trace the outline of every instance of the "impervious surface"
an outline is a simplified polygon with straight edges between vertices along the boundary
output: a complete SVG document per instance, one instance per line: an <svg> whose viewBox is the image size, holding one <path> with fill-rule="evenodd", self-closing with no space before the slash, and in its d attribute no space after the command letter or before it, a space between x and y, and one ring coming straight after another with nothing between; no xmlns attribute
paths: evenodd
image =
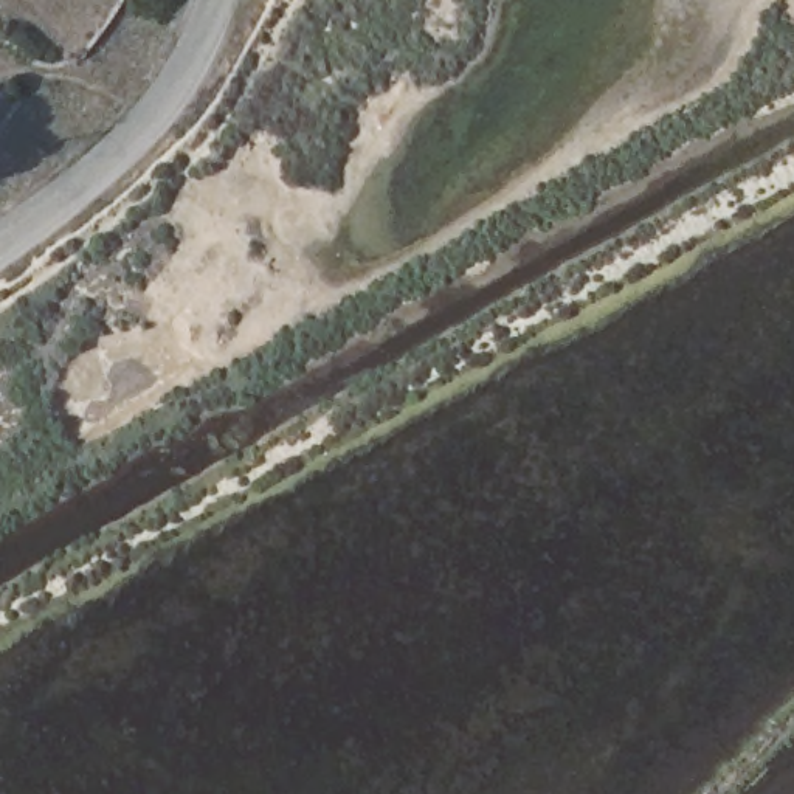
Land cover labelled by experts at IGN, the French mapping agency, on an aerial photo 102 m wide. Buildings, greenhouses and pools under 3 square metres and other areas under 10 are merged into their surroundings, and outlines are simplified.
<svg viewBox="0 0 794 794"><path fill-rule="evenodd" d="M130 112L130 118L121 127L115 127L115 133L109 133L102 143L96 143L90 155L84 155L84 161L74 164L65 177L43 186L28 202L3 202L0 208L0 279L9 264L16 264L28 248L34 248L40 239L47 239L53 230L65 223L127 171L164 130L171 130L171 124L195 99L195 93L208 84L211 65L233 22L230 0L186 0L174 19L180 25L177 50L164 62L161 78L146 90L140 105Z"/></svg>

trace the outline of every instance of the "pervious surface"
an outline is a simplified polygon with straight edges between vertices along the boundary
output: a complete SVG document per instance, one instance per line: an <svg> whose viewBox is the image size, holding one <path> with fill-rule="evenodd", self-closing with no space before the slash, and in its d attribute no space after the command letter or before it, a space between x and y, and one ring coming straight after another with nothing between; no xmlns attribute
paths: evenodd
<svg viewBox="0 0 794 794"><path fill-rule="evenodd" d="M627 270L639 264L658 261L670 245L707 233L716 220L735 214L729 208L729 192L720 192L701 214L685 214L682 220L676 220L673 230L633 248L627 257L614 257L605 267L592 267L580 292L561 295L564 304L586 301L608 279L620 279Z"/></svg>
<svg viewBox="0 0 794 794"><path fill-rule="evenodd" d="M270 43L264 43L257 53L257 68L270 71L276 65L285 47L285 34L301 12L298 0L288 0L285 16L273 28Z"/></svg>
<svg viewBox="0 0 794 794"><path fill-rule="evenodd" d="M775 164L769 177L751 177L741 183L747 205L769 199L772 192L794 183L794 155Z"/></svg>
<svg viewBox="0 0 794 794"><path fill-rule="evenodd" d="M217 490L195 502L183 515L192 521L230 493L254 490L257 478L273 471L279 462L323 444L332 434L332 428L332 425L329 419L316 419L304 440L273 447L261 465L239 478L220 481Z"/></svg>
<svg viewBox="0 0 794 794"><path fill-rule="evenodd" d="M34 599L47 599L50 592L62 596L62 577L53 577L47 586L16 596L16 608L25 608Z"/></svg>
<svg viewBox="0 0 794 794"><path fill-rule="evenodd" d="M549 319L549 310L543 307L518 319L499 316L499 326L506 326L512 335L521 335L524 329Z"/></svg>
<svg viewBox="0 0 794 794"><path fill-rule="evenodd" d="M444 40L459 37L453 0L437 0L428 9L425 31Z"/></svg>
<svg viewBox="0 0 794 794"><path fill-rule="evenodd" d="M785 115L794 121L794 93L785 93L775 102L760 105L757 112L772 121Z"/></svg>
<svg viewBox="0 0 794 794"><path fill-rule="evenodd" d="M468 233L478 220L487 220L521 199L537 195L540 183L568 174L586 155L611 152L630 133L679 109L692 109L701 96L729 84L757 40L763 16L760 0L658 0L651 43L642 53L642 59L623 71L623 78L580 118L574 133L552 155L527 167L493 199L465 211L459 220L437 230L425 242L397 251L394 261L375 264L360 279L332 285L323 279L316 264L304 257L304 248L319 239L329 242L338 233L341 214L363 189L372 167L381 158L388 158L394 146L403 140L409 121L431 99L462 87L471 78L471 71L490 56L499 28L496 0L490 0L481 50L471 56L471 62L465 62L465 71L431 87L416 87L409 74L397 74L391 81L391 90L366 99L366 105L360 109L360 133L350 146L350 158L344 167L344 186L338 192L285 183L273 133L257 133L248 146L242 146L233 155L226 171L205 180L192 177L192 167L214 155L214 143L220 136L211 127L211 118L233 84L223 81L223 87L214 93L214 99L205 105L199 121L183 136L174 136L171 130L164 130L127 171L133 177L109 208L93 214L81 230L68 230L65 223L53 230L47 239L40 239L34 248L28 248L16 264L9 264L0 279L0 316L50 279L56 279L62 270L74 267L78 257L90 251L93 236L112 233L118 223L127 220L130 208L143 208L158 199L155 171L161 164L174 161L177 155L189 155L183 171L186 183L171 208L174 226L180 233L180 248L164 264L164 270L146 285L149 316L155 319L155 326L109 335L102 335L93 350L81 354L71 363L65 394L68 413L78 416L81 437L96 440L115 434L140 413L158 409L161 397L171 388L192 385L211 369L220 369L236 357L257 350L282 326L298 323L307 313L326 313L341 298L366 292L372 282L400 273L406 264L440 251L462 233Z"/></svg>

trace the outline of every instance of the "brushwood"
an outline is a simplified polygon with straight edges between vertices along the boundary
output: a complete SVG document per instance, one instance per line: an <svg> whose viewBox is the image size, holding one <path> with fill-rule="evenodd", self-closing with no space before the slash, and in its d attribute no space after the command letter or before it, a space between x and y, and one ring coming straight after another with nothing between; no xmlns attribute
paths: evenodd
<svg viewBox="0 0 794 794"><path fill-rule="evenodd" d="M716 775L704 782L698 794L738 794L738 785L754 788L766 775L766 763L772 760L772 754L791 744L794 738L794 695L760 723L757 735L751 735L732 760L720 763Z"/></svg>
<svg viewBox="0 0 794 794"><path fill-rule="evenodd" d="M0 19L0 34L19 43L16 62L59 62L62 47L31 22Z"/></svg>
<svg viewBox="0 0 794 794"><path fill-rule="evenodd" d="M22 574L0 583L0 614L9 617L16 608L16 596L47 586L53 577L62 577L65 571L84 564L90 555L109 552L112 543L124 546L133 533L155 530L158 524L177 521L183 515L195 502L183 484L152 496L149 502L130 509L118 521L102 524L96 533L71 540L65 549L43 555Z"/></svg>
<svg viewBox="0 0 794 794"><path fill-rule="evenodd" d="M174 19L186 0L115 0L118 16L124 19L143 16L164 25Z"/></svg>
<svg viewBox="0 0 794 794"><path fill-rule="evenodd" d="M332 428L354 434L369 428L372 422L397 416L403 403L419 400L428 372L444 363L444 354L450 347L471 347L481 332L496 332L499 326L499 316L518 319L543 307L561 295L580 292L592 267L605 267L614 257L627 257L633 248L673 230L676 220L682 220L685 214L701 214L720 192L729 192L741 183L751 177L769 177L775 164L794 155L794 136L682 192L661 211L583 248L580 254L561 261L555 270L546 270L543 276L512 288L499 301L475 310L462 323L425 338L394 363L347 378L347 385L350 391L363 394L366 403L350 406L332 425Z"/></svg>
<svg viewBox="0 0 794 794"><path fill-rule="evenodd" d="M9 400L22 406L19 428L6 444L0 444L0 540L9 537L16 527L34 521L37 515L50 512L53 506L68 502L71 496L96 484L105 484L121 459L133 459L146 450L180 440L189 428L189 416L214 419L223 413L248 409L254 397L267 397L298 381L310 369L329 366L332 357L344 350L344 341L354 332L375 329L381 316L397 310L409 298L422 301L440 288L456 288L468 282L465 270L471 264L493 261L509 245L521 248L524 242L552 245L596 220L589 217L589 208L608 186L645 177L658 158L667 158L679 143L713 136L716 127L735 124L757 112L760 105L775 102L785 93L794 93L794 0L760 0L763 16L757 40L729 84L701 96L692 109L679 109L630 133L611 152L586 155L568 174L540 183L537 195L521 199L487 220L478 220L468 233L462 233L440 251L406 264L400 273L372 282L366 292L341 298L326 313L307 313L298 323L282 326L257 350L236 357L220 369L211 369L192 385L171 388L161 397L158 409L140 413L115 434L96 440L81 437L78 416L68 413L65 394L71 363L81 354L93 350L102 335L109 335L105 304L74 292L78 282L84 282L84 273L74 267L62 270L56 279L50 279L0 316L0 369L6 369L9 378Z"/></svg>
<svg viewBox="0 0 794 794"><path fill-rule="evenodd" d="M214 155L192 167L192 177L205 180L226 171L233 155L242 146L248 146L257 133L273 133L285 183L338 192L344 186L344 167L350 158L350 146L360 133L360 109L366 105L366 99L391 90L391 81L397 74L409 74L416 87L431 87L465 71L465 62L471 62L471 56L481 50L490 0L453 0L459 37L444 40L425 31L428 9L437 0L298 0L301 12L285 34L285 47L276 65L270 71L257 68L257 53L248 53L233 84L211 118L211 127L220 136L214 143Z"/></svg>

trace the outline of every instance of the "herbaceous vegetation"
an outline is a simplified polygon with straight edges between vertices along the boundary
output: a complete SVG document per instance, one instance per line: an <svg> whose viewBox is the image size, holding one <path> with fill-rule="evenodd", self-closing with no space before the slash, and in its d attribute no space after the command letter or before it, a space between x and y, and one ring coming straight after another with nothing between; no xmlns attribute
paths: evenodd
<svg viewBox="0 0 794 794"><path fill-rule="evenodd" d="M608 279L586 301L564 304L561 295L543 307L549 310L549 319L524 329L521 335L512 335L506 326L499 326L496 332L481 332L471 347L450 347L444 354L444 363L428 372L419 400L403 403L397 416L372 422L369 428L354 434L332 428L332 434L323 444L279 462L273 471L257 478L254 490L230 493L192 521L183 515L177 521L158 524L155 530L133 533L124 546L112 543L109 552L90 555L84 564L65 571L62 577L62 596L50 592L47 599L34 599L25 608L16 608L9 617L0 614L0 651L12 648L25 633L37 630L43 620L56 617L59 623L71 627L87 602L102 599L121 583L133 580L152 558L171 561L177 546L192 543L199 533L230 521L233 515L248 512L264 499L295 490L310 475L323 471L329 462L369 447L372 440L403 428L409 419L431 413L437 403L465 394L490 375L506 372L509 363L527 357L533 347L599 326L614 310L623 310L627 304L639 301L642 295L661 288L676 276L685 276L707 251L732 245L757 226L794 214L794 183L772 192L769 199L747 205L741 183L729 192L729 208L735 214L716 220L707 233L670 245L658 261L639 264L627 270L620 279Z"/></svg>
<svg viewBox="0 0 794 794"><path fill-rule="evenodd" d="M596 220L639 199L658 180L679 171L682 164L720 149L729 140L744 140L772 121L757 112L735 124L716 127L713 136L679 143L667 158L658 158L645 177L608 186L589 208L589 217Z"/></svg>
<svg viewBox="0 0 794 794"><path fill-rule="evenodd" d="M471 264L465 270L468 282L487 285L506 276L509 270L515 270L521 248L509 245L493 261Z"/></svg>
<svg viewBox="0 0 794 794"><path fill-rule="evenodd" d="M199 121L205 105L214 99L214 93L223 87L223 81L233 84L248 53L257 53L264 43L270 43L273 28L285 16L288 0L230 0L233 22L211 65L208 84L195 93L195 99L171 124L171 130L174 136L183 136Z"/></svg>
<svg viewBox="0 0 794 794"><path fill-rule="evenodd" d="M0 369L0 444L6 444L19 428L22 406L9 400L9 378L6 369Z"/></svg>
<svg viewBox="0 0 794 794"><path fill-rule="evenodd" d="M347 385L332 397L319 397L316 406L295 413L292 419L264 431L257 444L245 450L245 459L226 456L220 462L211 462L183 484L195 502L217 490L220 481L239 478L261 465L273 447L304 440L316 419L329 419L332 425L350 406L366 403L363 394L350 391Z"/></svg>
<svg viewBox="0 0 794 794"><path fill-rule="evenodd" d="M381 316L375 329L354 332L344 341L344 350L363 341L381 344L406 326L425 319L422 301L409 298L397 310Z"/></svg>
<svg viewBox="0 0 794 794"><path fill-rule="evenodd" d="M127 171L65 223L68 230L81 230L93 214L109 208L133 177Z"/></svg>
<svg viewBox="0 0 794 794"><path fill-rule="evenodd" d="M31 22L62 47L59 62L16 62L19 43L0 34L0 208L3 202L28 202L43 186L65 177L74 164L84 161L84 155L90 155L96 143L102 143L109 133L115 133L115 127L121 127L130 118L130 112L140 105L146 90L161 78L164 62L177 50L180 25L174 19L164 25L143 16L124 19L118 16L115 0L0 0L0 19Z"/></svg>
<svg viewBox="0 0 794 794"><path fill-rule="evenodd" d="M180 233L174 226L171 208L186 183L183 171L189 155L177 155L174 161L161 164L155 171L158 199L143 208L130 208L127 220L118 223L112 233L93 236L90 251L78 257L74 267L84 273L84 282L78 282L74 292L105 304L109 335L155 326L155 319L149 316L146 285L164 270L164 264L180 248Z"/></svg>

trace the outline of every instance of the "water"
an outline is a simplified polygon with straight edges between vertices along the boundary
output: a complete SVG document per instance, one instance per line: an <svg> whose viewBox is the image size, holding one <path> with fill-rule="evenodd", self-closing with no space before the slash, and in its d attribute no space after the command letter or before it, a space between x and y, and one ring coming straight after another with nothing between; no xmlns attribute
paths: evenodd
<svg viewBox="0 0 794 794"><path fill-rule="evenodd" d="M794 794L794 738L791 744L772 754L772 760L766 763L766 775L754 788L738 785L738 794Z"/></svg>
<svg viewBox="0 0 794 794"><path fill-rule="evenodd" d="M96 484L71 496L68 502L53 506L50 512L37 515L34 521L16 527L9 537L0 540L0 583L22 574L43 555L65 549L71 540L96 533L102 524L118 521L130 509L149 502L152 496L183 484L211 462L220 462L226 456L245 459L245 450L257 444L264 431L292 419L295 413L316 406L319 397L332 397L347 385L347 378L394 363L425 338L462 323L475 310L499 301L512 288L543 276L546 270L555 270L561 261L580 254L583 248L661 211L682 192L794 136L794 121L785 115L772 121L744 140L729 140L720 149L682 164L679 171L658 180L639 199L596 220L552 245L524 242L521 248L515 270L509 270L506 276L487 285L468 282L456 288L440 288L422 301L425 319L406 326L381 344L363 341L344 350L332 357L329 366L310 369L298 381L267 397L254 397L248 409L223 413L214 419L189 416L189 428L180 440L146 450L133 459L121 459L105 484Z"/></svg>
<svg viewBox="0 0 794 794"><path fill-rule="evenodd" d="M87 602L71 627L59 623L56 617L43 620L37 630L25 633L12 648L0 651L0 794L698 794L704 782L716 775L720 763L732 760L751 735L757 735L760 723L794 695L794 214L757 226L732 245L707 251L685 276L676 276L661 288L642 295L639 301L627 304L623 310L614 310L599 326L533 347L527 357L509 363L506 372L490 375L465 394L437 403L431 413L409 419L403 428L372 440L369 447L329 462L323 471L310 475L295 490L264 499L248 512L233 515L230 521L199 533L192 543L177 546L171 561L152 558L133 580L121 583L102 599Z"/></svg>
<svg viewBox="0 0 794 794"><path fill-rule="evenodd" d="M425 242L437 230L459 220L465 211L493 199L527 167L552 155L574 133L580 118L623 78L623 71L642 59L642 53L651 43L658 0L496 0L499 28L490 56L471 71L471 78L462 87L431 99L409 121L403 140L394 146L388 158L381 158L372 167L363 189L341 214L338 233L329 242L319 239L304 248L304 257L316 264L323 279L332 285L360 279L375 264L394 261L397 251Z"/></svg>

